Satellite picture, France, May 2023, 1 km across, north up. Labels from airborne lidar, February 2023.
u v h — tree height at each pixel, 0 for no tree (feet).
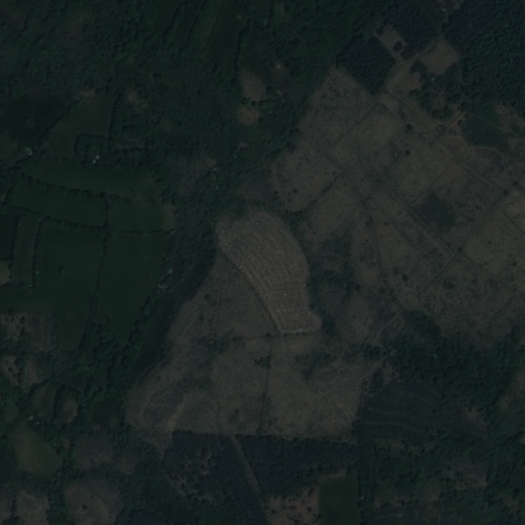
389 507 41
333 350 0
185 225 0
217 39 0
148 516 68
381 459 24
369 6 0
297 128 20
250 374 0
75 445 30
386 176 0
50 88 28
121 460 0
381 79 47
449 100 30
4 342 27
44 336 0
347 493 0
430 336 35
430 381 57
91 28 27
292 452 59
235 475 58
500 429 30
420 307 0
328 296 0
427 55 0
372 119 0
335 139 0
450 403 18
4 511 0
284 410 0
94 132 0
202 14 23
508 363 49
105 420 0
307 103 19
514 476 29
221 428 0
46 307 0
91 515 0
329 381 0
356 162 0
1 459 32
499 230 0
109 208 42
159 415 0
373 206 0
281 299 0
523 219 0
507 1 46
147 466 30
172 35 40
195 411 0
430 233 0
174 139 24
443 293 0
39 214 31
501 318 0
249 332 0
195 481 55
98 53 58
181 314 0
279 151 36
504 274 0
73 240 0
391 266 0
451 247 0
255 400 0
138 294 0
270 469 49
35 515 0
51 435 55
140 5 41
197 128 28
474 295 0
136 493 29
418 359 50
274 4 27
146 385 0
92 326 37
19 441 0
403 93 0
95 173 0
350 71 58
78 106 31
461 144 0
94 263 0
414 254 0
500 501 30
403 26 77
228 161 28
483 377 34
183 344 0
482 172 0
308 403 0
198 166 0
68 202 0
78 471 27
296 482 55
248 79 0
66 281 0
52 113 0
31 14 22
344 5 56
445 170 0
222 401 0
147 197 0
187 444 59
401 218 0
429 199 0
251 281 0
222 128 43
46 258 0
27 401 43
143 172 41
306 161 0
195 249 19
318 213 0
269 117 21
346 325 0
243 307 0
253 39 0
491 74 85
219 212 21
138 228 0
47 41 62
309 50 18
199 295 0
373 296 0
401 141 0
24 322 40
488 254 0
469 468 0
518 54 29
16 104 0
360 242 0
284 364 0
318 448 50
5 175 48
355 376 0
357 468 52
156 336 0
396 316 0
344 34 32
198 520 33
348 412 0
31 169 0
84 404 62
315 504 0
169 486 23
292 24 19
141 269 0
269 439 44
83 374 29
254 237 0
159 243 0
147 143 30
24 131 0
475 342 0
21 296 0
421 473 36
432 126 0
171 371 0
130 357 58
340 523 0
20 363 52
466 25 75
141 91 23
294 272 0
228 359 0
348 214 0
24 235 0
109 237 41
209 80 22
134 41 50
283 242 0
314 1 25
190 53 31
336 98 0
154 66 28
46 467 0
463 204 0
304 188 0
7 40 18
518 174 0
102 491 0
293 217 21
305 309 0
